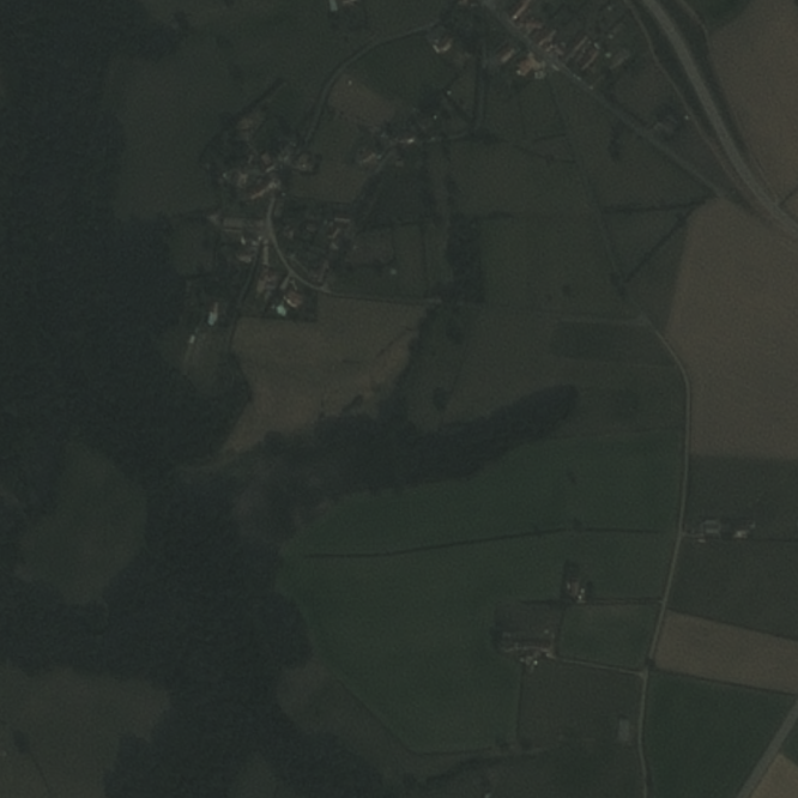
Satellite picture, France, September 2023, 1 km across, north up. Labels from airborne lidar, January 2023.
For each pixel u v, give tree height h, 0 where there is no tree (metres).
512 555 0
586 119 0
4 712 0
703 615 0
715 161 0
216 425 12
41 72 8
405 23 0
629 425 0
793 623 0
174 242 0
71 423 24
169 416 18
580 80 0
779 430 0
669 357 0
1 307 23
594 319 0
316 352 0
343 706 0
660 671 0
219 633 26
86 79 27
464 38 17
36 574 0
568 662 0
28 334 23
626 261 0
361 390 0
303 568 0
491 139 12
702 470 0
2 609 14
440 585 0
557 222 0
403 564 0
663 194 0
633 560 0
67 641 20
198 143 0
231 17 0
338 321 0
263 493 0
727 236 0
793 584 0
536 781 0
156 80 0
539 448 0
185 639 15
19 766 0
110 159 13
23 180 17
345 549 0
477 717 0
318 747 27
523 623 0
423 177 14
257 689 14
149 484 20
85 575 0
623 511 0
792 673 0
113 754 0
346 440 31
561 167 0
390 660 0
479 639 0
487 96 0
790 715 0
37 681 0
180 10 0
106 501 0
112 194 18
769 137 0
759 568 0
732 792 0
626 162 0
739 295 0
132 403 18
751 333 0
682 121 9
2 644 7
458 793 0
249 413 0
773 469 0
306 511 0
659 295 0
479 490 0
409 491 0
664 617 0
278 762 22
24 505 32
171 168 0
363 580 0
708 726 0
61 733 0
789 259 0
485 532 0
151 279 24
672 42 0
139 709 0
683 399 0
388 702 0
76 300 24
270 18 0
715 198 0
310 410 0
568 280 0
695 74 0
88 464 0
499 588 0
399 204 0
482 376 0
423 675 0
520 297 0
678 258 0
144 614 24
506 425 13
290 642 23
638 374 0
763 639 0
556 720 0
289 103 0
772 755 0
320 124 0
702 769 0
